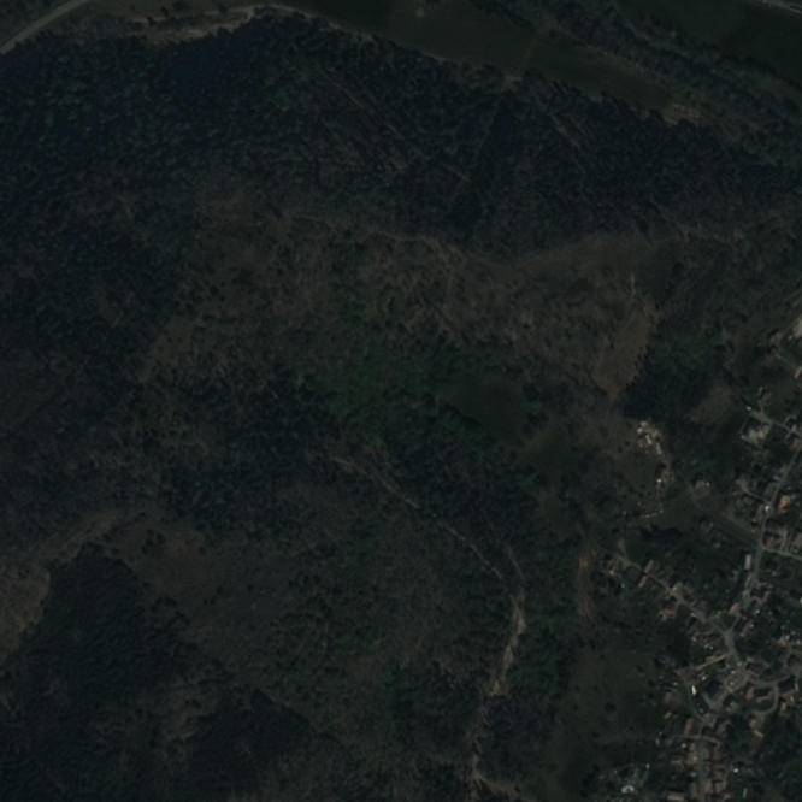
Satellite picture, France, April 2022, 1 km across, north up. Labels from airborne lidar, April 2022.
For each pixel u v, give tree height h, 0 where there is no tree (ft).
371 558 53
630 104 0
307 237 24
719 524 0
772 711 0
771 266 58
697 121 0
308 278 46
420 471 68
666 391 66
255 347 69
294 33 79
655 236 0
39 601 27
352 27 0
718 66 75
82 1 0
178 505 41
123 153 81
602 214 106
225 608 0
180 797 53
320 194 70
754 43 0
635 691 0
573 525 101
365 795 28
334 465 98
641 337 0
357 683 43
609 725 0
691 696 0
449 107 62
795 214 39
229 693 47
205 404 88
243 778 64
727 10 0
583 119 57
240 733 63
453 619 59
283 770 57
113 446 69
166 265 46
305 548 33
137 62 32
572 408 73
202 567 0
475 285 0
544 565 44
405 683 79
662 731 22
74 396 38
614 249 0
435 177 63
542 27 51
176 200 57
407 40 0
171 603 40
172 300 31
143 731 36
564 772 0
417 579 36
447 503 103
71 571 62
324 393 84
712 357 81
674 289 46
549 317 53
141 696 31
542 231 67
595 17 93
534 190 108
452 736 105
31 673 64
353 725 58
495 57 0
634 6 0
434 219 56
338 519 55
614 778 0
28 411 32
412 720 115
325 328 56
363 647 22
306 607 32
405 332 65
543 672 61
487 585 73
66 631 65
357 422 65
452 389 102
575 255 0
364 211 63
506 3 29
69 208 70
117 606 33
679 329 74
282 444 48
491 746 110
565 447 0
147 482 42
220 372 91
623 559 0
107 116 89
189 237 35
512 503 120
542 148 100
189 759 34
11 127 87
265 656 41
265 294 45
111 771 35
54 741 56
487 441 20
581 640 33
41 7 50
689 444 88
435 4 35
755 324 0
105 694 39
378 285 58
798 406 32
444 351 64
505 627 28
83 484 39
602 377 0
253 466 107
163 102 74
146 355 47
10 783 95
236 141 76
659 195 35
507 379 84
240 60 85
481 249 49
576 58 0
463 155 52
